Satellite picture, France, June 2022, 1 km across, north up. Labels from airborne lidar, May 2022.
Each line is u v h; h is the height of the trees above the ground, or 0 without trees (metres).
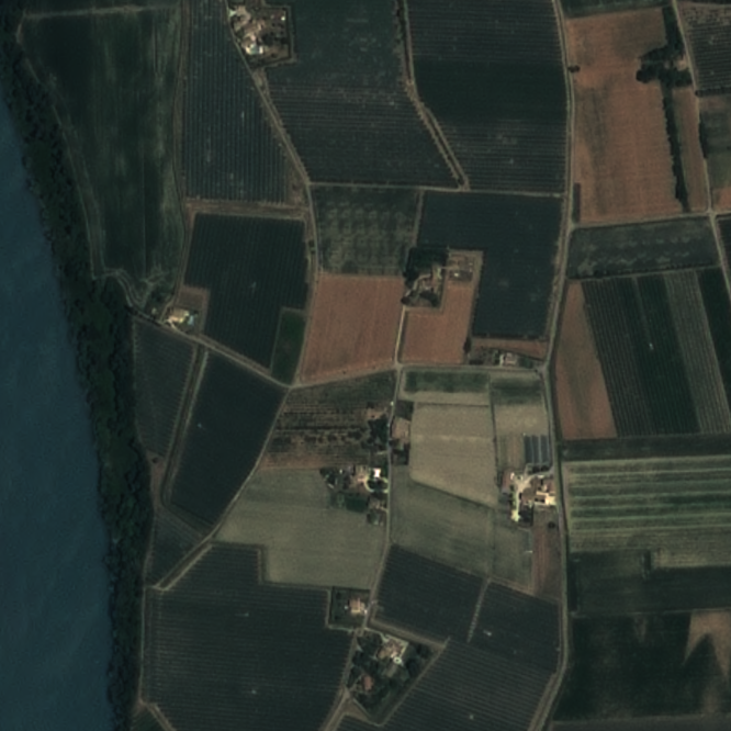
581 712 0
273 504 0
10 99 7
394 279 0
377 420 6
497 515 0
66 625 0
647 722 0
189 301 0
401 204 0
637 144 0
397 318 0
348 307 0
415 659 9
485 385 0
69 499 0
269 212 0
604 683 0
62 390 0
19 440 0
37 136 22
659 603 0
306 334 0
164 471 0
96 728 0
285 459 0
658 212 0
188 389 0
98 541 0
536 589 0
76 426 0
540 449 0
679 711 0
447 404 0
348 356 0
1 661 0
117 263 0
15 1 26
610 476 0
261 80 0
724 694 0
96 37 0
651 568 0
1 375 0
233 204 0
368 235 0
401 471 0
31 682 0
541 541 0
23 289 0
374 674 10
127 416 18
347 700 0
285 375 0
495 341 0
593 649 0
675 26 6
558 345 0
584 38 0
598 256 0
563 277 0
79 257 14
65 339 0
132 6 0
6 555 0
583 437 0
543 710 0
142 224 0
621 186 0
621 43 0
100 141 0
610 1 0
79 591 0
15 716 0
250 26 0
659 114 0
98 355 14
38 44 0
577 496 0
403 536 0
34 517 0
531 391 0
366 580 0
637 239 0
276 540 0
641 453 0
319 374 0
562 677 0
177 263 0
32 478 0
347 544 0
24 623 0
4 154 0
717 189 0
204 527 0
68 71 0
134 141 0
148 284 0
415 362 0
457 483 0
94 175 0
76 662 0
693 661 0
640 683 0
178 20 0
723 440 0
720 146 0
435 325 0
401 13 10
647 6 0
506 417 0
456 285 0
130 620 14
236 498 0
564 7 0
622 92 0
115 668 23
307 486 0
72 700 0
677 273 0
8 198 0
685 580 0
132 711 11
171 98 0
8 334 0
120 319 15
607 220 0
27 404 0
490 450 0
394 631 0
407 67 0
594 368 0
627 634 0
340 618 8
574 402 0
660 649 0
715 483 0
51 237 17
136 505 12
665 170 0
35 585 0
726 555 0
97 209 0
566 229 0
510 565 0
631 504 0
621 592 0
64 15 0
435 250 7
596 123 0
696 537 0
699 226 0
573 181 0
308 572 0
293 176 0
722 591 0
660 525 0
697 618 0
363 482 0
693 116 0
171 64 0
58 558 0
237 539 0
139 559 16
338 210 0
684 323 0
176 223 0
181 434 0
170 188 0
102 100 0
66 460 0
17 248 0
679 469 0
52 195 8
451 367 0
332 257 0
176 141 0
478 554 0
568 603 0
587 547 0
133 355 15
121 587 27
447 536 0
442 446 0
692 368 0
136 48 0
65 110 0
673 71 7
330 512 0
